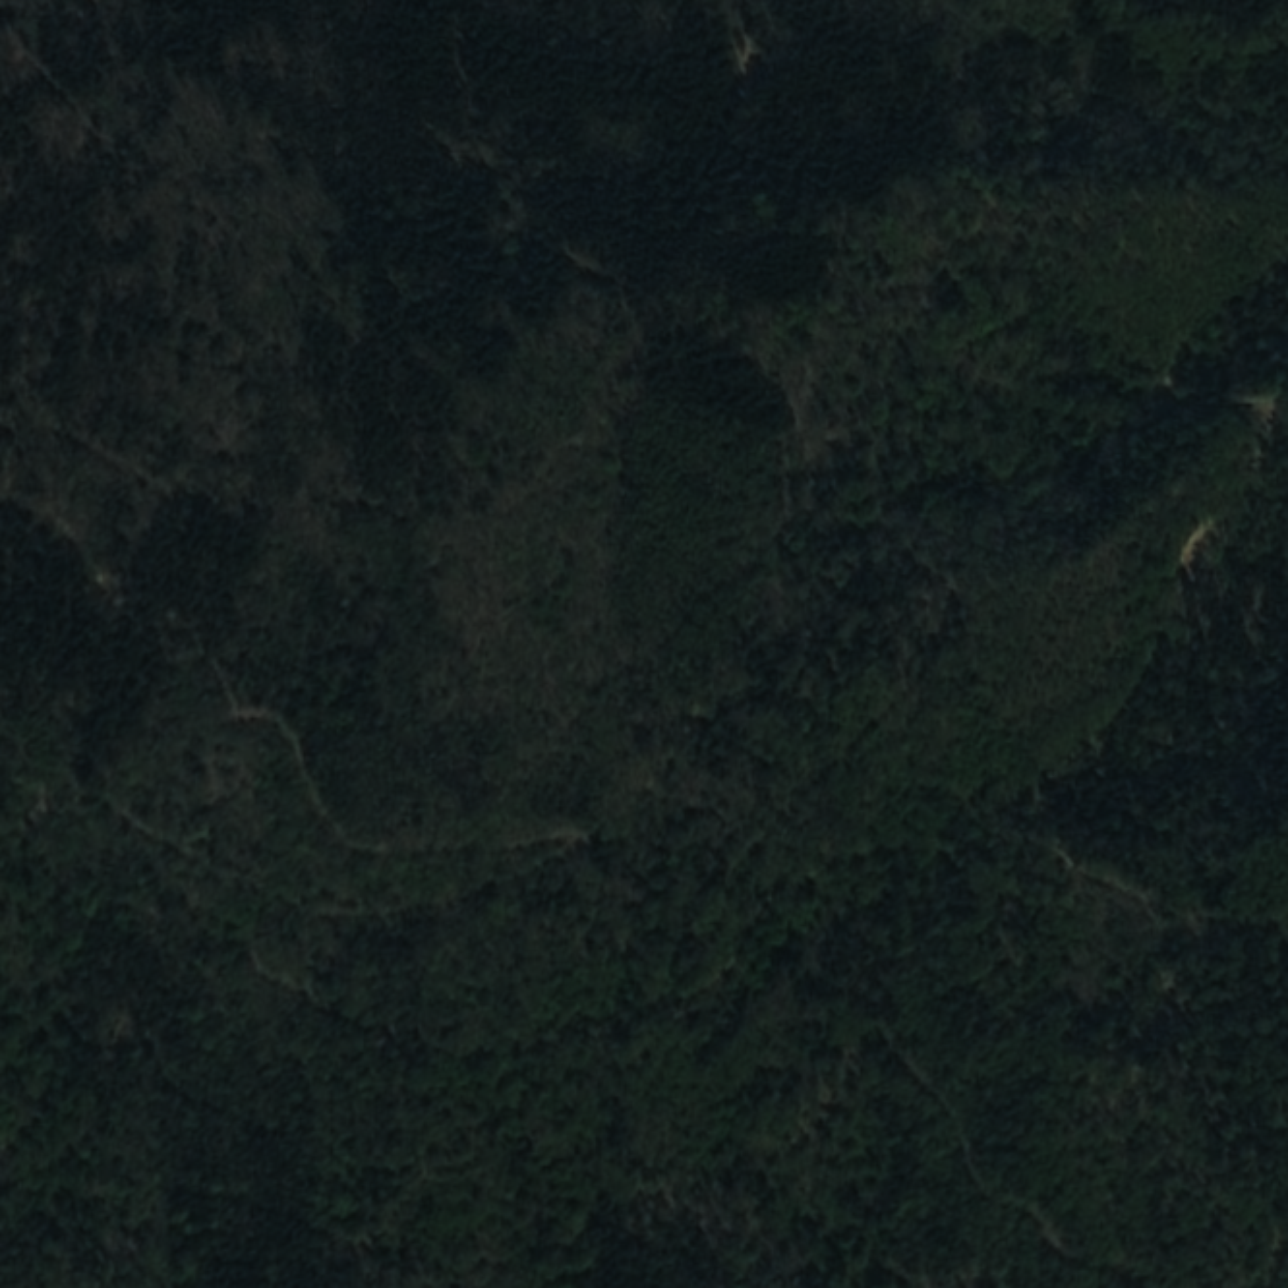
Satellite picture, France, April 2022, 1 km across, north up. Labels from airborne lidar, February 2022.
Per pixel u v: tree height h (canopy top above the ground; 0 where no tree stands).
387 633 15
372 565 17
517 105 26
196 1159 15
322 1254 16
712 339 15
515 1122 25
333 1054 23
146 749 20
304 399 12
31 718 24
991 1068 18
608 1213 23
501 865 19
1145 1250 20
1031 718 15
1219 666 28
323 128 24
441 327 20
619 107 21
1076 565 13
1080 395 29
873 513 26
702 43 25
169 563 25
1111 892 10
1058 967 9
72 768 10
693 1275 20
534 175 21
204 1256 24
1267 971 23
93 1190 26
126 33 22
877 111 29
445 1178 15
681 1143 10
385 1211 11
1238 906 18
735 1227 30
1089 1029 23
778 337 14
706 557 17
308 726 14
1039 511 24
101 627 23
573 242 20
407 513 13
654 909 23
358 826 16
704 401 26
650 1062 19
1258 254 19
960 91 20
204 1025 21
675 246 20
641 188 32
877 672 20
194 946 24
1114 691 21
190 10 25
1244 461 14
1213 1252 17
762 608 13
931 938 24
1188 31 23
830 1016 29
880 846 20
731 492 19
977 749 13
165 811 8
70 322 23
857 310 24
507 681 10
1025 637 16
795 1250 30
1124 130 18
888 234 25
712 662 19
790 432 16
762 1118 25
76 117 6
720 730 20
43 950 21
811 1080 25
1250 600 30
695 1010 10
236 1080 19
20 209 19
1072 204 20
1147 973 9
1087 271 25
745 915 16
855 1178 14
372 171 25
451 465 16
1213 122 10
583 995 19
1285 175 21
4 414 17
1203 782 29
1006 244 26
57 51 15
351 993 21
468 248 23
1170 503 13
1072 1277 17
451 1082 19
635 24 25
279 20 20
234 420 9
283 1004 20
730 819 14
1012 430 26
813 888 23
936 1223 18
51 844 28
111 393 16
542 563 16
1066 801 31
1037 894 20
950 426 25
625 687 18
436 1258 9
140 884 23
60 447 20
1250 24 21
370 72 23
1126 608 14
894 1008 27
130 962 20
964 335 24
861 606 25
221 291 12
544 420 18
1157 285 17
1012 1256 20
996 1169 13
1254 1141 21
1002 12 13
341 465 14
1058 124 15
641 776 15
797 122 31
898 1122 29
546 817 16
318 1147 20
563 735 12
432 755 19
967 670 20
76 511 20
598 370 17
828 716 18
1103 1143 18
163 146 17
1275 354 25
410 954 22
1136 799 39
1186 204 13
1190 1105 22
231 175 19
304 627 20
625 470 17
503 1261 10
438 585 13
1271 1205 21
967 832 29
